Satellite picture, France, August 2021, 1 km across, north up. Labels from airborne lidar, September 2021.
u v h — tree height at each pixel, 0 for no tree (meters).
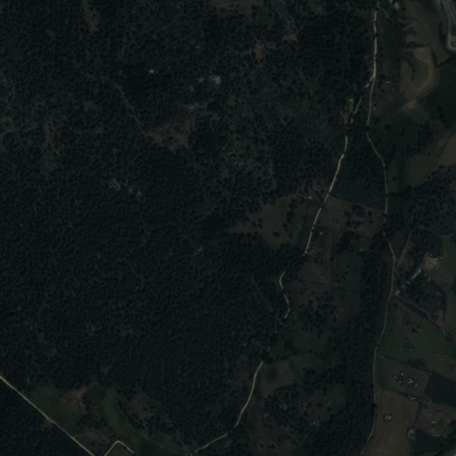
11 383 14
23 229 10
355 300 0
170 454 0
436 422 0
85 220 19
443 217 7
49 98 9
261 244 11
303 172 12
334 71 9
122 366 16
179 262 18
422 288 0
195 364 15
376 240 10
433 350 0
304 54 13
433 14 0
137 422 6
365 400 9
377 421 0
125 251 14
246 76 10
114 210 13
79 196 15
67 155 15
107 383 13
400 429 0
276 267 10
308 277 0
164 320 11
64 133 10
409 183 0
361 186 0
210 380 12
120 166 14
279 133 16
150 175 12
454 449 0
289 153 9
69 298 12
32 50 12
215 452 11
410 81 0
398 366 0
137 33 9
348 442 14
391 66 0
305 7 7
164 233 9
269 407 15
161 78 7
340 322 0
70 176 8
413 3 0
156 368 13
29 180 11
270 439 0
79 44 15
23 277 10
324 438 11
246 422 7
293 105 0
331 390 0
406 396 0
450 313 0
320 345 0
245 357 0
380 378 0
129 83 16
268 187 10
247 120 10
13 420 17
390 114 0
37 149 9
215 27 17
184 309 15
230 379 6
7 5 10
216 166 9
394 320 0
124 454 0
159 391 14
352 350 11
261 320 15
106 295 16
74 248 16
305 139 11
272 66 6
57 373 12
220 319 18
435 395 0
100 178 16
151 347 13
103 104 7
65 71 14
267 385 0
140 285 12
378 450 0
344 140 0
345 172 0
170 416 15
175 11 10
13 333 9
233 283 11
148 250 17
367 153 11
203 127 8
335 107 7
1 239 9
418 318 0
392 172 0
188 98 10
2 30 10
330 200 0
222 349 10
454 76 0
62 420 0
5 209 10
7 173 10
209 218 11
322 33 12
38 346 13
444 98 0
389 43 0
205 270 11
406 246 0
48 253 13
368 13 0
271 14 10
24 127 7
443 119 11
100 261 9
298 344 0
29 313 9
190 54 6
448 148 0
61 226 15
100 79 7
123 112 14
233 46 6
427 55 0
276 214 0
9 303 9
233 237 9
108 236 8
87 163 14
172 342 17
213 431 8
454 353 0
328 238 0
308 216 0
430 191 6
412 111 0
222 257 9
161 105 9
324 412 0
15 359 16
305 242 0
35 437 17
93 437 0
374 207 0
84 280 12
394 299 0
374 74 0
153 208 19
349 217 8
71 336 12
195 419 15
